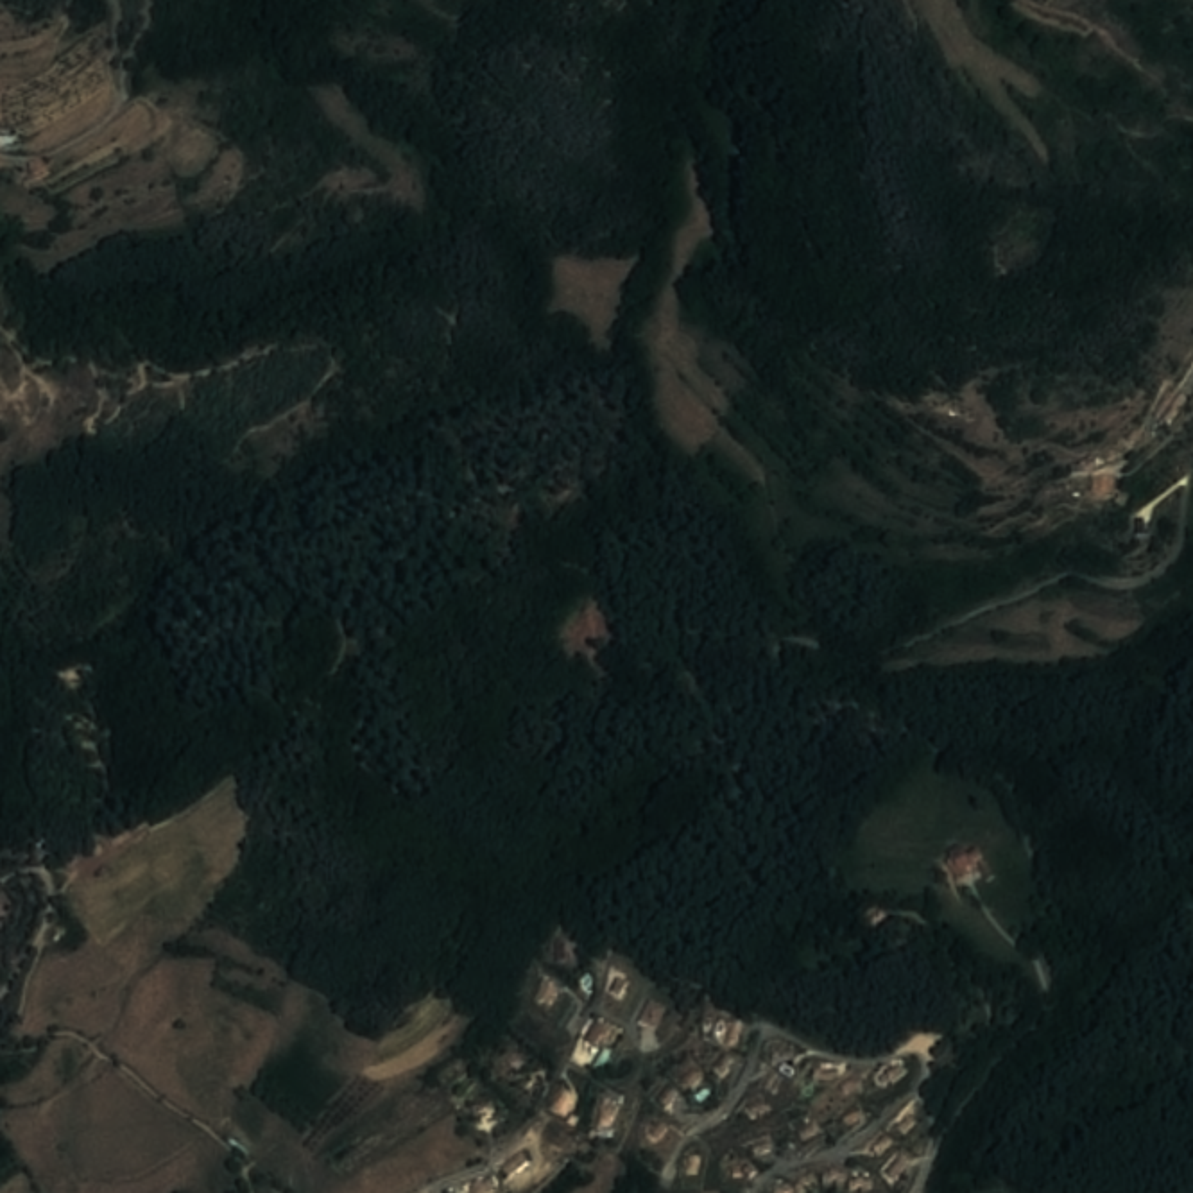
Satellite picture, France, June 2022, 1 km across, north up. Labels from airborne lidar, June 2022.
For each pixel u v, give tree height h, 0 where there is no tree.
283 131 8
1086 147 6
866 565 23
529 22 11
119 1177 0
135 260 24
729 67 24
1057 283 17
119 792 10
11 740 17
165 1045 0
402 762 34
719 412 8
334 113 0
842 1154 0
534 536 11
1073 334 13
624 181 20
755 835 34
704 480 26
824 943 14
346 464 22
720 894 35
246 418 7
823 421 8
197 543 17
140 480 21
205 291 28
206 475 15
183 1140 0
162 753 10
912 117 14
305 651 13
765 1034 0
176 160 0
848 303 18
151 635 7
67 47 0
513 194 15
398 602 30
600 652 30
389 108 21
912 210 15
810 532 0
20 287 11
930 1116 13
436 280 17
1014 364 10
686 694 31
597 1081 8
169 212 0
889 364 13
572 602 20
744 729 29
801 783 30
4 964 9
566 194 17
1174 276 16
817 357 11
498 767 25
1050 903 23
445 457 12
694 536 34
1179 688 21
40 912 9
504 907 14
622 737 31
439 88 17
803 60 18
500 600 12
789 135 22
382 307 14
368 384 10
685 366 0
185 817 0
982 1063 16
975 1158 16
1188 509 0
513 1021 9
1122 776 28
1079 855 23
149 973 0
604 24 9
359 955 18
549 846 13
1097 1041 29
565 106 13
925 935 18
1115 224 20
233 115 6
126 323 10
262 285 25
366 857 14
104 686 13
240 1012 0
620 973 0
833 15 8
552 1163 0
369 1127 0
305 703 10
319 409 13
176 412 6
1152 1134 25
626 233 17
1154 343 9
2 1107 9
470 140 15
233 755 9
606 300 0
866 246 11
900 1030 20
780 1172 0
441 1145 0
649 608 27
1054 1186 20
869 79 15
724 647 29
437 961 12
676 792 28
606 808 13
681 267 0
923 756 19
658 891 28
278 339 12
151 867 0
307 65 19
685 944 27
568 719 33
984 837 0
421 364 10
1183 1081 27
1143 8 8
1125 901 23
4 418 0
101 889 0
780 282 27
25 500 22
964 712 23
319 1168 0
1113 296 17
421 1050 0
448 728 22
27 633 9
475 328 11
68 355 12
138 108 0
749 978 20
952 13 0
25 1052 9
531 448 32
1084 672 17
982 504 11
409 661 18
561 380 23
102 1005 0
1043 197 14
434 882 16
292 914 8
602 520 24
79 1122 0
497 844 22
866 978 20
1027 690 24
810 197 13
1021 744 22
